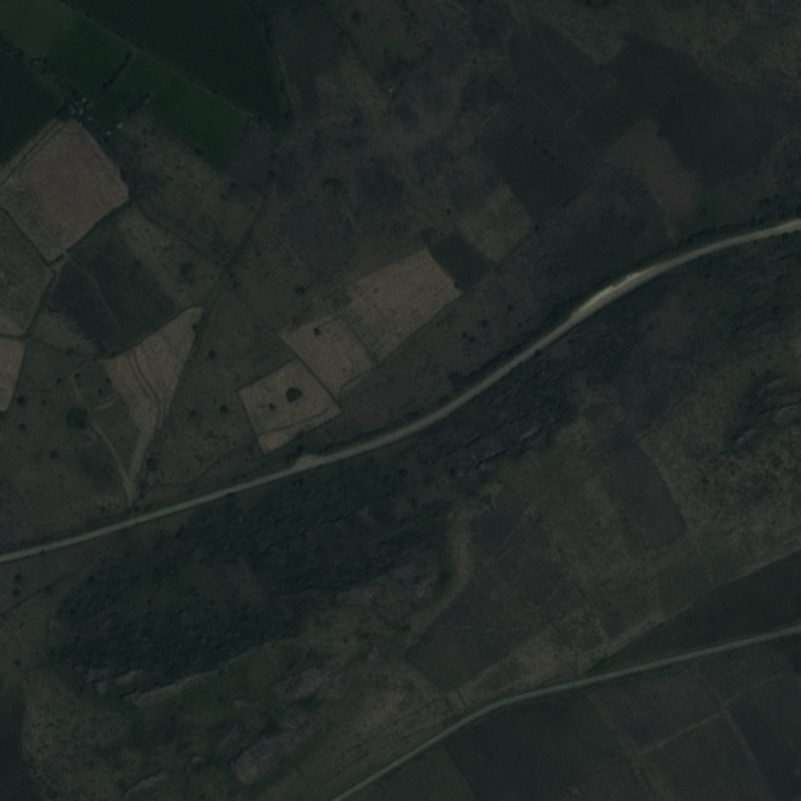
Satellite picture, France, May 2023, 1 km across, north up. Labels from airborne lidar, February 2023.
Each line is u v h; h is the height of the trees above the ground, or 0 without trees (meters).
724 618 0
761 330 0
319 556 0
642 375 0
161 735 0
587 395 0
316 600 0
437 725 0
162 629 0
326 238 0
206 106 0
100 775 0
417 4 0
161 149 0
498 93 0
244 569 0
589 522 0
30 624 0
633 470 0
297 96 0
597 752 0
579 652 0
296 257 0
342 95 0
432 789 0
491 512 0
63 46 0
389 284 0
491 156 0
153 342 0
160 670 0
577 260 0
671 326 0
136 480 0
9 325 0
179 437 0
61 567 0
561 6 0
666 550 0
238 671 0
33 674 0
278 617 0
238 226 0
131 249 0
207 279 0
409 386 0
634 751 0
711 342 0
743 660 0
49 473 0
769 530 0
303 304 0
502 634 0
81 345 0
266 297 0
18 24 0
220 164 0
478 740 0
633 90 0
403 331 0
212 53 0
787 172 0
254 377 0
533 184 0
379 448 0
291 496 0
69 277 0
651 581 0
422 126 0
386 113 0
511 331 0
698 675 0
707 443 0
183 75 0
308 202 0
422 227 0
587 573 0
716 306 0
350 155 0
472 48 0
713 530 0
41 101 0
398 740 0
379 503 0
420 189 0
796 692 0
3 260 0
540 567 0
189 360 0
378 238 0
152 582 0
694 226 0
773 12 0
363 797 0
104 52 0
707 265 6
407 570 0
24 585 0
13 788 0
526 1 0
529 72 0
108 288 0
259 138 0
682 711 0
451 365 0
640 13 0
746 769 0
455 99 0
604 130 0
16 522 0
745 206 0
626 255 0
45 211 0
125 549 0
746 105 0
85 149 0
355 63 0
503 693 0
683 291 0
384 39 0
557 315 10
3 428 0
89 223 0
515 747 0
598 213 0
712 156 0
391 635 0
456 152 0
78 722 0
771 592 0
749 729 0
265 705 0
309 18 0
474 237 0
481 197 0
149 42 0
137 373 0
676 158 0
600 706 0
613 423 0
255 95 0
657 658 0
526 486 0
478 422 0
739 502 0
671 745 0
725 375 0
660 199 0
